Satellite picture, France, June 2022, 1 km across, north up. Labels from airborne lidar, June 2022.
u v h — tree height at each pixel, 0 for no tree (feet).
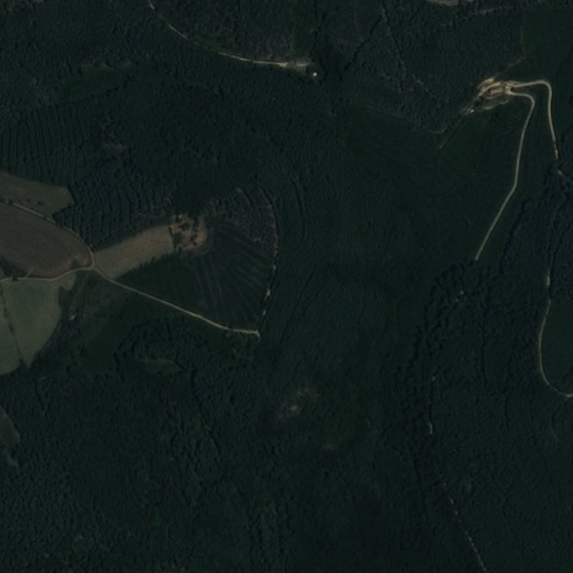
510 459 45
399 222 53
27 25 80
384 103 49
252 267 0
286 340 79
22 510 69
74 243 0
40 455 50
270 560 73
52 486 67
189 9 54
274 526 58
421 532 52
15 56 105
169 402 65
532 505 62
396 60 59
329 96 76
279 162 65
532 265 51
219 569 50
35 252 0
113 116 53
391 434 85
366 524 85
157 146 48
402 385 66
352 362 63
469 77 49
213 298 0
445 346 72
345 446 63
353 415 64
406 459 53
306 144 78
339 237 74
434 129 33
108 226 75
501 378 65
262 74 80
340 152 91
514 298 61
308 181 77
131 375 71
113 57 76
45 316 0
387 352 49
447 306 52
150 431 85
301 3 0
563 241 74
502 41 58
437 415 28
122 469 71
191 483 94
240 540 67
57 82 95
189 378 24
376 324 94
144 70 23
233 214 63
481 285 65
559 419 43
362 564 78
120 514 68
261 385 112
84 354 54
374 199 86
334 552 51
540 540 54
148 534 76
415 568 75
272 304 62
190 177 68
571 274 68
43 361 46
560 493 33
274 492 52
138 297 36
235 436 82
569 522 47
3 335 0
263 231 67
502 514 49
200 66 90
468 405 66
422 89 30
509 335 55
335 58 23
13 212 0
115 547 30
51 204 0
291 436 76
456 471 57
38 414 71
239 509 61
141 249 0
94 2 70
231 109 63
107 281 0
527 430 51
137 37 90
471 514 68
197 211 41
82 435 69
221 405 109
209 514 57
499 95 0
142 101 45
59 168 78
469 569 33
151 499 81
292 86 86
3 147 67
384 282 47
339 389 68
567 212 68
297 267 72
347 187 65
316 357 93
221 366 110
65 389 53
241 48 41
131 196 72
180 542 58
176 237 20
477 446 54
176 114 61
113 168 69
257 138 66
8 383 45
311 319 101
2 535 63
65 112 60
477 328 63
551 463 28
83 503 71
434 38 58
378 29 58
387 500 45
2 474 59
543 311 56
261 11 97
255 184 64
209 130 66
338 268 70
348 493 68
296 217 72
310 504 59
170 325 62
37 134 65
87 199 77
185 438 93
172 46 84
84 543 56
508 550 64
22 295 0
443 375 56
